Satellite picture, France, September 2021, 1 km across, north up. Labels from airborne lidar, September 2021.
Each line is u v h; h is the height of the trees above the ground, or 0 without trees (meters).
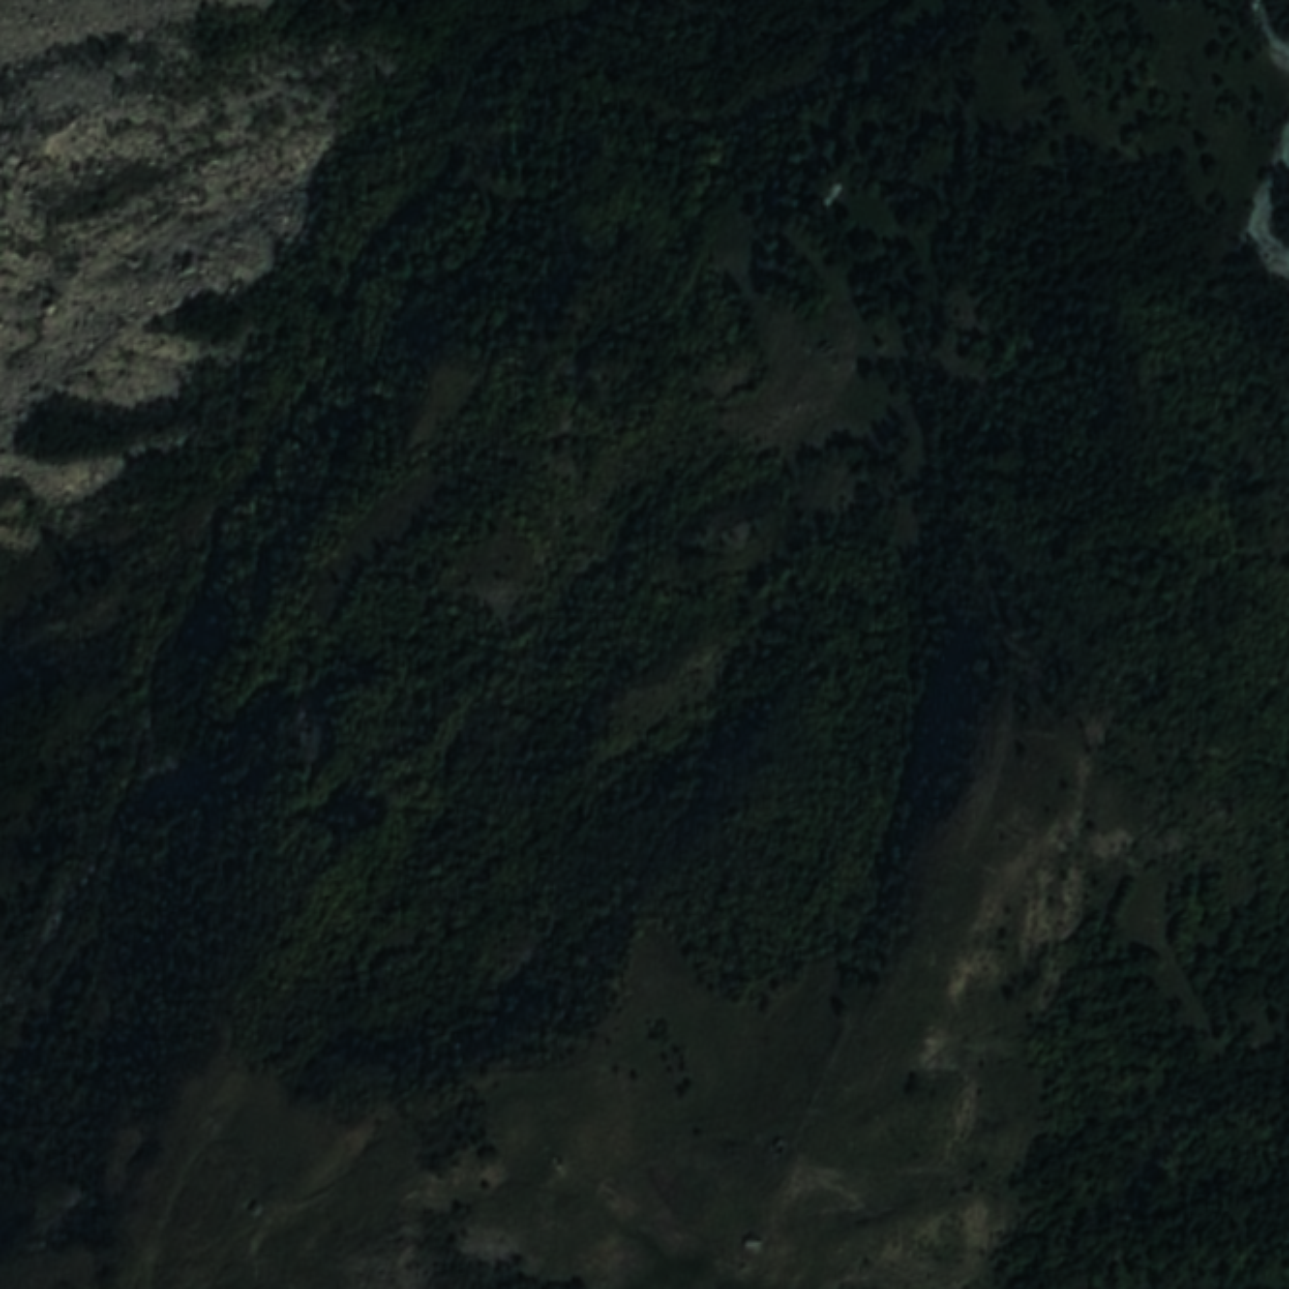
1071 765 0
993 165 12
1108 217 21
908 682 14
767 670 12
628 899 9
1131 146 12
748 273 0
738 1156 0
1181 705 8
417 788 9
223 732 8
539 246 13
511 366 7
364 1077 7
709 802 8
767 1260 0
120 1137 0
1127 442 20
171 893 6
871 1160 0
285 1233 0
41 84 0
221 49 9
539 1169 0
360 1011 14
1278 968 17
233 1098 0
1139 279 11
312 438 9
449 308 8
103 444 12
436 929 12
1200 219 13
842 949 14
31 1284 0
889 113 26
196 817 6
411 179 7
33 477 0
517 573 0
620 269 13
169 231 0
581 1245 0
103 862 7
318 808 6
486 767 8
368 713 11
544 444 7
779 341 0
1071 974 8
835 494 0
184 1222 0
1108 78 9
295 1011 9
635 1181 0
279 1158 0
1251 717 13
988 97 0
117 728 13
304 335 7
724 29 9
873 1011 0
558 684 9
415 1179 0
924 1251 0
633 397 11
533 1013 8
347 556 0
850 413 0
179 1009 8
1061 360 18
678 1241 0
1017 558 8
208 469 12
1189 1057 14
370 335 10
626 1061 0
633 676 17
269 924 6
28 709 15
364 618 11
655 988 0
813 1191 0
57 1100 7
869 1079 0
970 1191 6
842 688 7
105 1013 0
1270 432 8
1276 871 10
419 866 8
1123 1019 15
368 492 9
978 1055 0
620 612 8
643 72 20
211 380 6
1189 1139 15
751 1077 0
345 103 9
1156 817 7
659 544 10
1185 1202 10
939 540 6
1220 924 14
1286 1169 19
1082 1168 13
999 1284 6
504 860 12
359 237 8
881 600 13
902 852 8
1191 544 7
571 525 8
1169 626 10
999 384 10
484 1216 0
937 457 9
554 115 13
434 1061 8
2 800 9
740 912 9
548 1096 0
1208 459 13
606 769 10
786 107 11
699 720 9
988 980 0
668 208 8
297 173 0
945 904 0
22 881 0
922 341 14
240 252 0
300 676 7
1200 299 5
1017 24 15
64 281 0
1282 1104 10
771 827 9
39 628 0
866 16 10
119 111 0
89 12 0
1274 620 10
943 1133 0
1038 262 14
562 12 10
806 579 8
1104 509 12
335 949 16
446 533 7
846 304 0
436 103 8
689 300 12
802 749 8
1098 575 7
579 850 10
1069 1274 8
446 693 6
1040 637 13
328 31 10
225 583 10
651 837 11
